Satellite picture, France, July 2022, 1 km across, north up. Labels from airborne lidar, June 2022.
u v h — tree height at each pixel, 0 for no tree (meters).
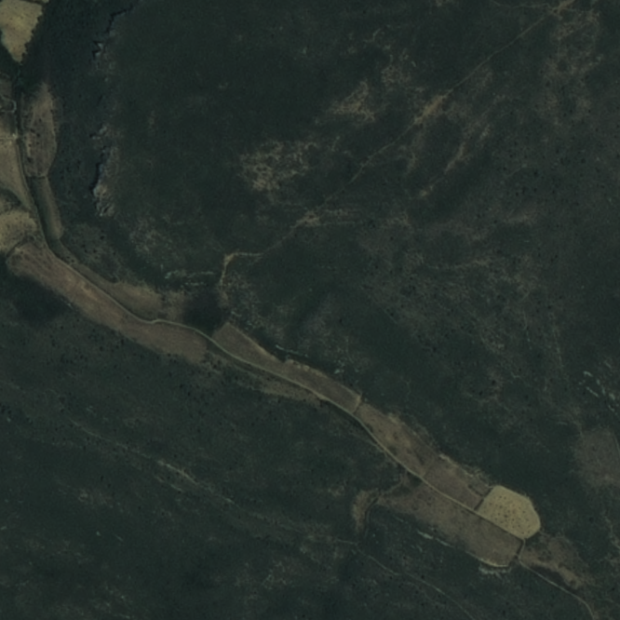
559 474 0
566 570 0
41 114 0
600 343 0
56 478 0
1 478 0
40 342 0
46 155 0
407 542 0
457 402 0
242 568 0
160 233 0
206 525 0
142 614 0
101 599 0
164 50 0
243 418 0
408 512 0
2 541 0
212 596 0
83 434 0
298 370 0
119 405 0
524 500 0
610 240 0
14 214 0
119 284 0
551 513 0
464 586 0
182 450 0
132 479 0
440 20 0
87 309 0
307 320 0
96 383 0
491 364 0
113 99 0
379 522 0
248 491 0
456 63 0
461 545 0
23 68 8
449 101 0
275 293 0
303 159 0
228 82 0
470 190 0
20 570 0
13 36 0
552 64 0
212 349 0
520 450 0
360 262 0
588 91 0
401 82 0
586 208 0
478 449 0
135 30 0
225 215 0
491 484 0
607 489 0
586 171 0
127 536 0
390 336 0
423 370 0
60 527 0
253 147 0
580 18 0
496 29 0
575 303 0
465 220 0
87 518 0
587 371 0
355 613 0
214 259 0
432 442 0
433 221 0
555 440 0
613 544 0
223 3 0
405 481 0
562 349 0
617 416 0
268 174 0
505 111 0
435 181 0
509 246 0
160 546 0
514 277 0
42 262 0
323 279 0
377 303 0
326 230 0
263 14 0
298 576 0
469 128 0
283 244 0
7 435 0
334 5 0
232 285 0
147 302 0
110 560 0
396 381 0
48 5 12
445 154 0
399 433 0
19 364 0
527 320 0
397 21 0
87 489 0
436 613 0
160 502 0
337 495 0
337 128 0
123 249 0
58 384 0
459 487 0
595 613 0
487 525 0
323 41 0
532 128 0
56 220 0
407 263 0
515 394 0
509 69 0
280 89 0
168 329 0
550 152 0
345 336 0
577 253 0
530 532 0
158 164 0
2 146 0
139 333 0
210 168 0
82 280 0
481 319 0
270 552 0
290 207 0
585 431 0
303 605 0
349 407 0
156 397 0
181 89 0
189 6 0
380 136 0
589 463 0
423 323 0
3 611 0
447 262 0
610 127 0
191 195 0
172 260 0
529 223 0
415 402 0
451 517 0
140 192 0
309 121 0
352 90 0
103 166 0
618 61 0
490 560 0
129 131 0
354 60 0
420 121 0
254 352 0
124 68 0
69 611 0
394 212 0
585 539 0
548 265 0
